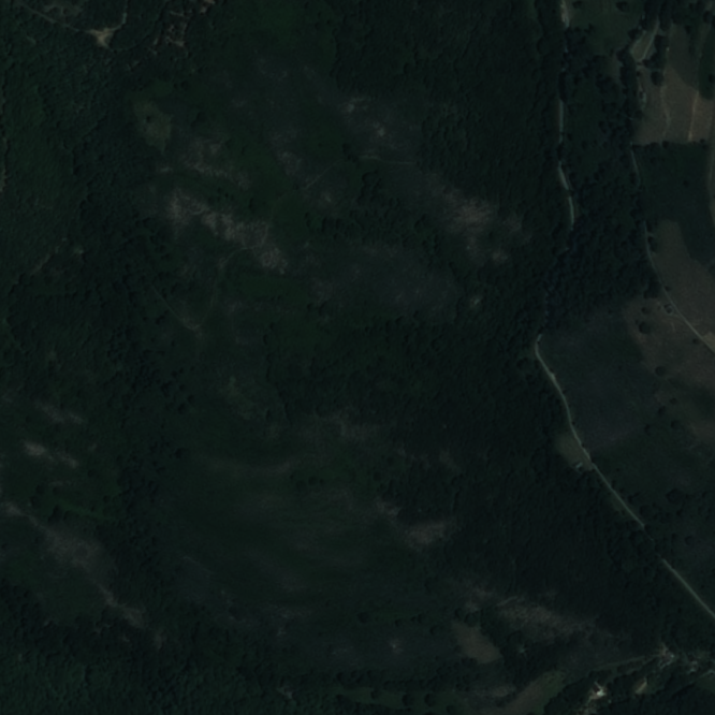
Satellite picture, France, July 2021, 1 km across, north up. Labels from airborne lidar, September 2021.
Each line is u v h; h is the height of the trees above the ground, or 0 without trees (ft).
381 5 60
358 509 0
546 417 75
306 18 0
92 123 48
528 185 26
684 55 0
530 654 59
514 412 69
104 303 65
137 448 38
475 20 36
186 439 0
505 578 30
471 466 34
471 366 62
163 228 41
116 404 94
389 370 27
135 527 46
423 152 26
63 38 54
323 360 29
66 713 54
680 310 0
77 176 78
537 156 42
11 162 76
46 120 66
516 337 31
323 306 45
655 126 0
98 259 73
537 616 0
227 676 73
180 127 0
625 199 35
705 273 0
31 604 32
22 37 53
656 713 83
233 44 0
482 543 42
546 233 60
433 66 57
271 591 0
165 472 34
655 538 64
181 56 62
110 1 50
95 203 80
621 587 73
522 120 58
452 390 57
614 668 0
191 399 42
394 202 67
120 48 51
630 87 60
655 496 0
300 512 0
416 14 34
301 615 0
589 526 103
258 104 0
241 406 0
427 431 46
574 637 27
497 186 72
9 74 75
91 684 60
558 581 51
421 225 64
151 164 38
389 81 54
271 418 52
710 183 0
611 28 0
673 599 18
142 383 46
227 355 0
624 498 25
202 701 60
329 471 0
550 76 82
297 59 0
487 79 67
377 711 76
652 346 0
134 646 35
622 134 41
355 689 58
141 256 21
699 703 67
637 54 0
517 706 0
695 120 0
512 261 40
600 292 32
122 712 57
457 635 0
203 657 74
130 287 82
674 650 51
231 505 0
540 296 78
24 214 37
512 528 43
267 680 62
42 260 35
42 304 75
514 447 44
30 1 37
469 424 59
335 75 46
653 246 40
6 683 65
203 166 0
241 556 0
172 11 73
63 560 0
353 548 0
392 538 0
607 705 25
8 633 59
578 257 32
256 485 0
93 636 61
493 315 33
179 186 0
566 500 97
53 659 98
